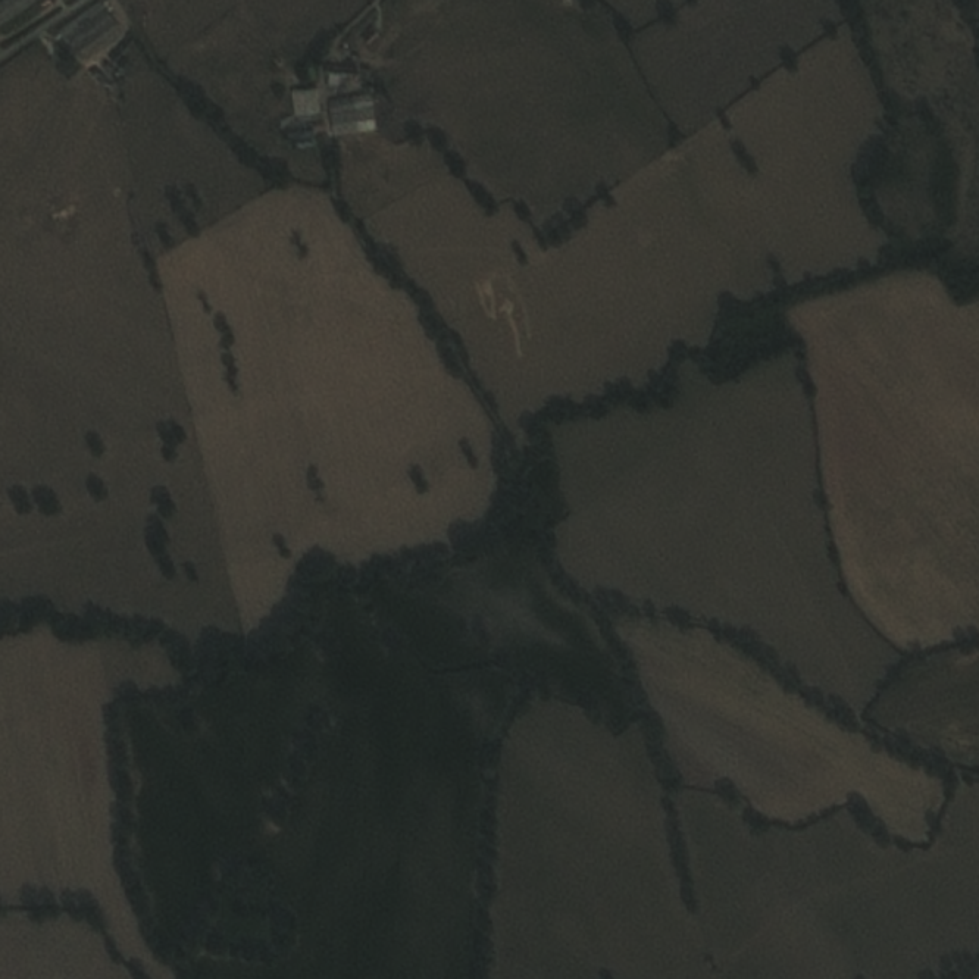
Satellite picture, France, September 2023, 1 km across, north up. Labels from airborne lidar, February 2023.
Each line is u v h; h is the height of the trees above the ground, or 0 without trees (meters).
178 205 19
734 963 0
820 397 0
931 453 0
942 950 0
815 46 0
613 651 11
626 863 0
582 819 0
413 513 0
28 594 0
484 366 0
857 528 0
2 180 0
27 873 0
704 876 0
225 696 0
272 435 0
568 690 0
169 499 16
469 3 0
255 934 0
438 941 0
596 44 0
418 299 11
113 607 0
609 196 17
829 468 0
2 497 0
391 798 0
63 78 0
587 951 0
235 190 0
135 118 0
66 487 0
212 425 0
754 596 0
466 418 0
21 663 0
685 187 0
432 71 0
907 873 0
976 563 0
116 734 12
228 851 0
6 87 0
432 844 0
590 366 0
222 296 0
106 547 0
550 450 7
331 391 0
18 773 0
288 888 0
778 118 0
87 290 0
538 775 0
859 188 18
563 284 0
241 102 0
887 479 0
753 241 0
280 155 0
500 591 0
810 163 0
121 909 0
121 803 13
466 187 9
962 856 0
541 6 0
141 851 0
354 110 0
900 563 0
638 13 0
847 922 0
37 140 0
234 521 0
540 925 0
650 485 0
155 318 0
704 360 7
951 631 0
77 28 0
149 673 0
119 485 0
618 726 0
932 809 0
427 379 0
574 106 0
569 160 0
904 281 0
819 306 0
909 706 0
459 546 22
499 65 0
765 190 0
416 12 0
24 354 0
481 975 18
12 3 0
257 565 0
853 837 0
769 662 15
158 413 0
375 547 0
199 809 0
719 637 13
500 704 0
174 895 0
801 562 0
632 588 0
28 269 0
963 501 0
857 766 0
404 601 0
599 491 0
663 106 0
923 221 0
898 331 0
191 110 16
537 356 0
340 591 14
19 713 0
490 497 0
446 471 0
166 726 0
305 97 0
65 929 0
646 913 0
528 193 0
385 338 0
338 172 6
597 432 0
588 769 0
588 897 0
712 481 0
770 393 0
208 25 0
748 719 0
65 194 0
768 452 0
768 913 0
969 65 0
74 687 0
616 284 0
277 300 0
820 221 0
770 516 0
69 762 0
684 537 0
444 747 0
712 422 0
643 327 0
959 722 0
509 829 0
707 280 0
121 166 0
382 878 0
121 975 0
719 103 0
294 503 0
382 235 0
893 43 0
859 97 0
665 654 0
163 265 0
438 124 0
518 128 0
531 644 0
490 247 0
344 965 0
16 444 0
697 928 0
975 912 0
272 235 0
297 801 0
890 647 0
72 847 0
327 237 0
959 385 0
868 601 0
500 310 0
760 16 0
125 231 0
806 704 12
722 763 0
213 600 0
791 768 0
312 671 0
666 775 11
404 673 0
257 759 0
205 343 0
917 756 14
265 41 0
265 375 0
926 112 18
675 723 0
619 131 0
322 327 0
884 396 0
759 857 0
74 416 0
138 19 0
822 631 0
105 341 0
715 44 0
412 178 0
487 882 16
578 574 0
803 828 9
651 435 0
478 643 16
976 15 11
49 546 0
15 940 0
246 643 6
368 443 0
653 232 0
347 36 0
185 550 0
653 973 0
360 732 0
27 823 0
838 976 0
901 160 0
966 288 11
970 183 0
